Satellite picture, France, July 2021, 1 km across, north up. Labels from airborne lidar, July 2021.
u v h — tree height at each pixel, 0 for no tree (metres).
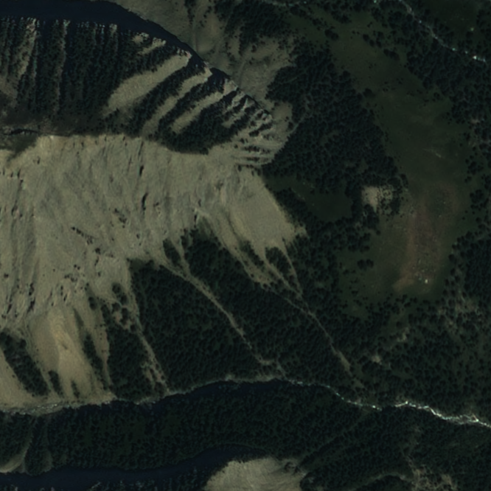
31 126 0
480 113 16
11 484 14
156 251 0
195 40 0
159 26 0
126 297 10
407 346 25
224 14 8
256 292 10
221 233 0
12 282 0
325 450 21
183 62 0
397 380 28
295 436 11
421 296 0
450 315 9
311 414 5
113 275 0
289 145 11
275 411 24
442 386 15
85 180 0
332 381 18
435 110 0
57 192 0
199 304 16
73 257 0
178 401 6
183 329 12
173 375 17
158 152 0
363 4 17
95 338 0
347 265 0
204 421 9
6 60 12
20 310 0
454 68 28
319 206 0
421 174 0
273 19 11
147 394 15
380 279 0
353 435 23
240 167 8
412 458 18
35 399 0
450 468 11
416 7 9
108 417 21
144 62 8
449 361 24
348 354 13
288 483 0
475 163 14
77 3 0
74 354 0
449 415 7
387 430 28
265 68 0
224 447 9
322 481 12
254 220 0
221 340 16
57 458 12
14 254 0
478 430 7
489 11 8
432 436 19
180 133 6
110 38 10
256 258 8
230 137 6
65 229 0
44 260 0
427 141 0
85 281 0
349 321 14
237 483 0
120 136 0
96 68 11
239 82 0
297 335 15
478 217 10
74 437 9
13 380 0
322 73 18
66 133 0
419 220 0
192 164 0
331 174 21
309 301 24
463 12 0
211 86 8
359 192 17
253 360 22
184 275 6
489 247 28
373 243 0
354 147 25
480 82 25
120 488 7
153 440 16
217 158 0
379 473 8
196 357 14
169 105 0
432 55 27
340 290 10
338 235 15
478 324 14
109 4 0
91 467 13
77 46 10
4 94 0
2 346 0
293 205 17
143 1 0
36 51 8
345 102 23
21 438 10
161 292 12
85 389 0
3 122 0
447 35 21
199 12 0
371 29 0
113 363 12
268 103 0
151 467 10
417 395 22
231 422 10
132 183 0
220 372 8
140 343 8
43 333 0
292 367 17
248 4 15
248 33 6
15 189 0
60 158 0
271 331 16
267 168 6
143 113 14
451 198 0
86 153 0
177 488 20
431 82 21
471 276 30
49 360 0
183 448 20
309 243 12
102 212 0
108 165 0
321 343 16
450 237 0
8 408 0
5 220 0
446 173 0
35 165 0
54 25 10
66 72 9
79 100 7
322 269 18
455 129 0
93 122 0
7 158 0
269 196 0
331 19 0
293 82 7
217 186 0
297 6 14
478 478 19
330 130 17
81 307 0
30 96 7
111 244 0
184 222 0
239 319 21
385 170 22
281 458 8
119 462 11
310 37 0
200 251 18
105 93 10
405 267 0
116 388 7
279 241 0
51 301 0
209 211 0
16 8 0
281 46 9
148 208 0
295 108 11
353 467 20
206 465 16
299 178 15
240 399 22
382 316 19
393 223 0
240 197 0
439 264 0
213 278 13
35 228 0
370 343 18
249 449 6
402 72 0
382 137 7
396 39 7
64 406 0
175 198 0
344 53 0
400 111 0
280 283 18
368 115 15
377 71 0
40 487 9
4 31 9
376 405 6
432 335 19
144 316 20
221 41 0
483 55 24
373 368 22
